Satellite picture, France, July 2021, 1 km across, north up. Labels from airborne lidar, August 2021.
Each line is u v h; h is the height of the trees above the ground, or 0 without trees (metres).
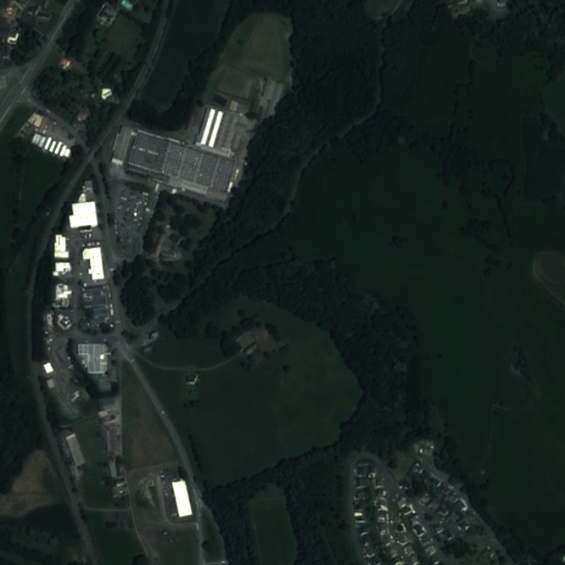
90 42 0
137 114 20
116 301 0
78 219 0
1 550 18
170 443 0
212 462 0
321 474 9
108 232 0
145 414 0
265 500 0
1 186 0
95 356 0
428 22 13
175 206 14
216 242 25
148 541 0
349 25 27
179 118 20
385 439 23
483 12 7
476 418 0
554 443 0
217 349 0
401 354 22
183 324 13
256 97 0
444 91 0
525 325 0
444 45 0
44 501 0
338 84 28
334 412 0
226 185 0
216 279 15
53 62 0
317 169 0
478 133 0
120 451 0
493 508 0
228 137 0
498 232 0
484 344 0
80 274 0
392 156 0
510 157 0
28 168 0
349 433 24
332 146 12
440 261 0
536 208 0
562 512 0
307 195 0
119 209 0
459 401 0
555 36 22
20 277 0
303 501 31
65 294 0
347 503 0
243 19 11
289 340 0
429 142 19
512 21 19
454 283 0
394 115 8
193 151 0
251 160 13
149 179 8
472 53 0
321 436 0
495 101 0
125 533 0
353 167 0
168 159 0
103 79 14
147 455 0
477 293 0
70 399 0
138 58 12
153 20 8
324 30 27
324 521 7
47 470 0
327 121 24
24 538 0
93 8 11
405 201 0
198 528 0
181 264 0
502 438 0
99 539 0
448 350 0
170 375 0
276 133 20
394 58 21
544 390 0
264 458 0
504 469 0
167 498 0
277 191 25
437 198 0
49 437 0
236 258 13
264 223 26
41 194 0
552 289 0
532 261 0
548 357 0
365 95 26
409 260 0
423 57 9
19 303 0
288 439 0
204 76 21
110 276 0
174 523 0
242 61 0
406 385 17
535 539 0
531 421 0
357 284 14
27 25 16
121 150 0
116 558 0
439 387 0
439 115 0
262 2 19
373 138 25
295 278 19
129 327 0
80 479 0
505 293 0
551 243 0
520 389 0
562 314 0
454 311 0
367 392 28
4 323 8
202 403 9
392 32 17
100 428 6
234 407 0
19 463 7
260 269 16
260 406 0
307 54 24
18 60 19
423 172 0
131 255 0
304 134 21
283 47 0
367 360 27
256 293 14
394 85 18
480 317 0
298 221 17
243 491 23
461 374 0
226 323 0
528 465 0
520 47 12
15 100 0
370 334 32
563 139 19
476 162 15
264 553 0
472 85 13
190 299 18
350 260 0
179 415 0
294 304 20
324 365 0
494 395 0
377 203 0
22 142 16
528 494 0
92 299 0
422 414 18
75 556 0
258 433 0
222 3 0
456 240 0
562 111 0
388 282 0
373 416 24
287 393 0
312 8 25
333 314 26
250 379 0
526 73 0
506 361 0
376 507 7
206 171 0
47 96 9
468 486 12
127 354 0
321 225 0
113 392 7
